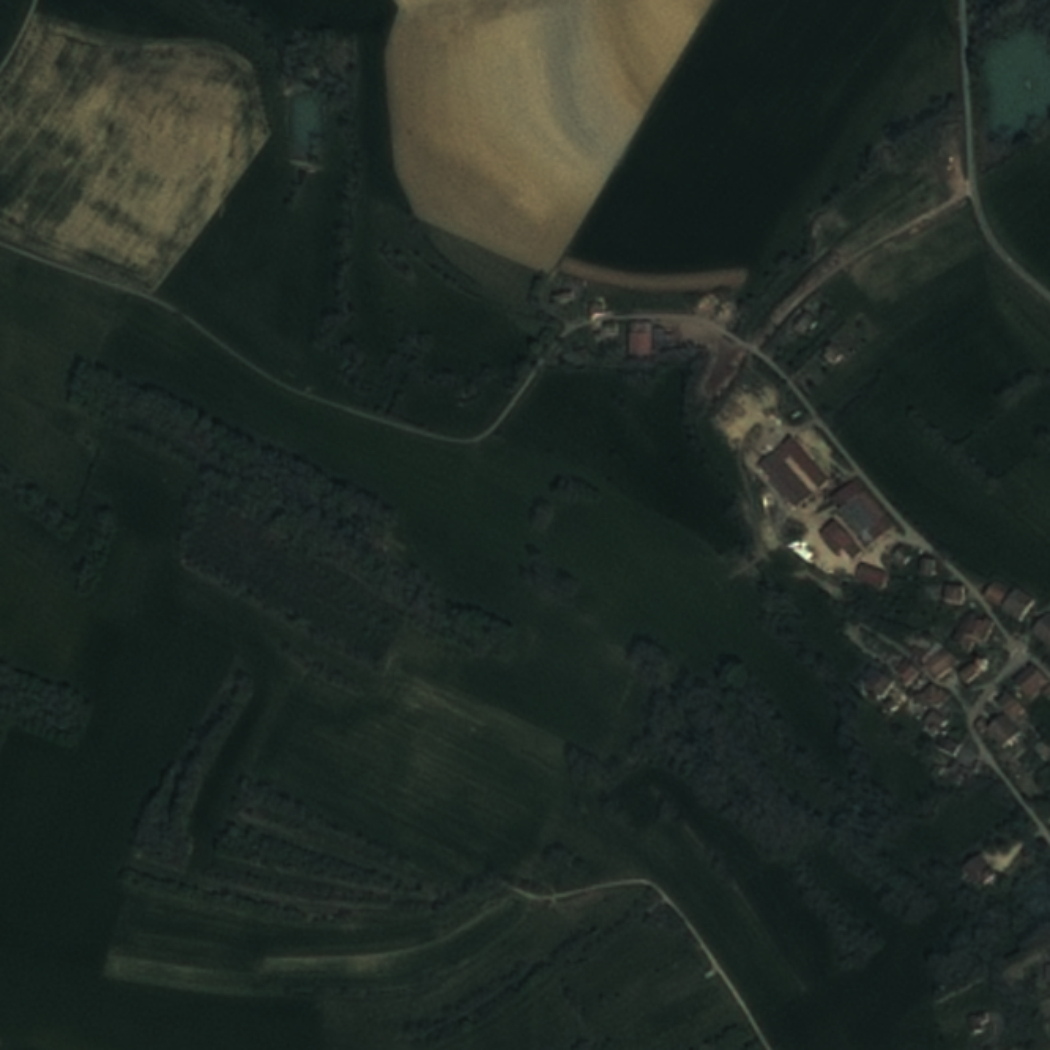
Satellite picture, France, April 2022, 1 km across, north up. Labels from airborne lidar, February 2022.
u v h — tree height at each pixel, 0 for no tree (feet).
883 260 0
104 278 0
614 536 0
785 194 0
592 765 58
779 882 0
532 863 0
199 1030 0
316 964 0
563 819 0
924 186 0
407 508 0
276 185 0
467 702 0
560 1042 0
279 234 0
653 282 0
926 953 0
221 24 0
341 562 62
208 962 0
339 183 0
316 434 0
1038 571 0
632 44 0
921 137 76
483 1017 45
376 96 0
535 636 0
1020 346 0
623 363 77
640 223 0
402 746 0
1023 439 0
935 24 0
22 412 0
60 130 0
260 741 0
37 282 0
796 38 0
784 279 0
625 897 0
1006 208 0
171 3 0
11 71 0
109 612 0
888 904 60
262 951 0
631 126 0
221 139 0
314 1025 0
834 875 0
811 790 0
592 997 0
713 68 0
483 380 30
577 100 0
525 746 0
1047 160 0
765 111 0
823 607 0
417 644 0
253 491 58
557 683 0
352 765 0
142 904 0
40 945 0
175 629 0
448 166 0
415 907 25
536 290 32
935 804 54
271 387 0
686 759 54
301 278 0
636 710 0
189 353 0
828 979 0
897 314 0
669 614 0
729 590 0
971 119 0
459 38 0
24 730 34
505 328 0
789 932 0
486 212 0
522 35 0
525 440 0
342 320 51
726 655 0
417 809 0
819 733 0
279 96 0
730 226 0
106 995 0
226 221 0
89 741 0
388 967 0
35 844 0
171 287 0
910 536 0
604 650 0
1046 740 20
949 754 0
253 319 0
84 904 0
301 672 0
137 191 0
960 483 0
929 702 0
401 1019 0
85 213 0
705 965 0
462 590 0
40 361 0
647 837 0
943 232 0
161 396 54
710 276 0
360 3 0
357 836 60
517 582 0
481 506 0
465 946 0
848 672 0
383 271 0
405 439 0
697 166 0
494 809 0
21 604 0
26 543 0
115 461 0
